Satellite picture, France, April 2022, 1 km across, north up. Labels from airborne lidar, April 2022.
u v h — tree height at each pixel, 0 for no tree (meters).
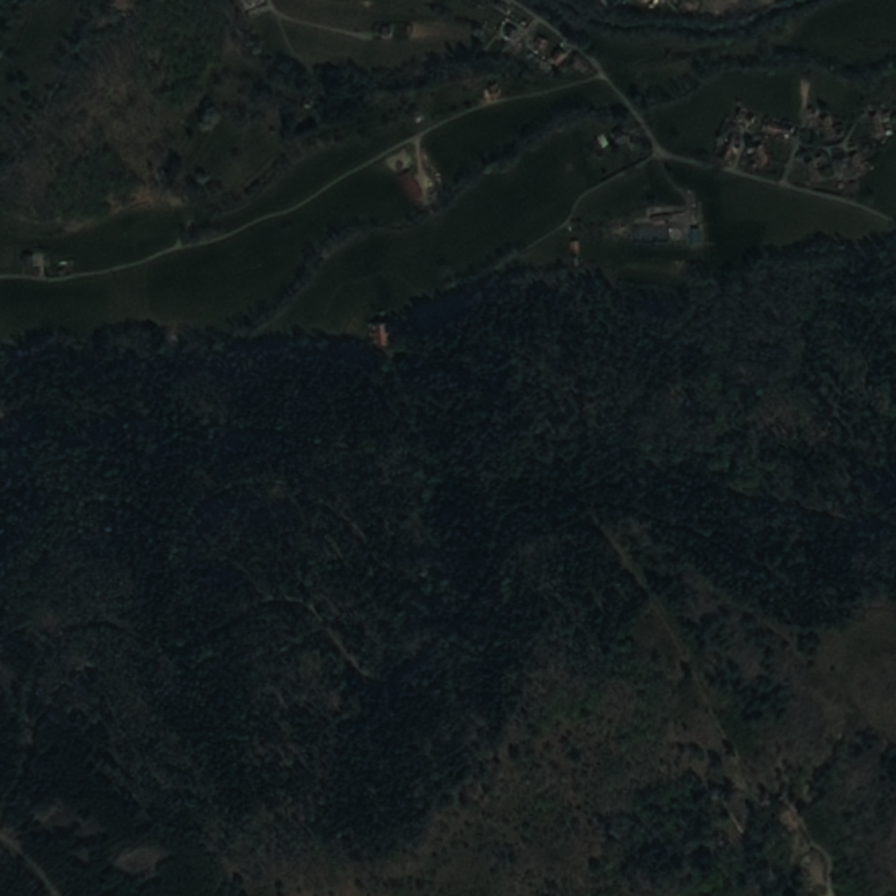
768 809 18
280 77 18
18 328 0
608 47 0
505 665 20
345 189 0
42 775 15
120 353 27
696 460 24
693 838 21
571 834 8
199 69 19
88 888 16
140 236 0
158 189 19
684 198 0
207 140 0
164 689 26
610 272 0
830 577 12
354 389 31
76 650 15
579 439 28
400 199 0
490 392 18
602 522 16
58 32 0
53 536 25
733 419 24
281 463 28
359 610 34
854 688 0
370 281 0
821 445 8
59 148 10
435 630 25
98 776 19
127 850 0
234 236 0
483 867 0
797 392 30
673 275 0
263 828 23
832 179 0
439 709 25
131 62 13
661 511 15
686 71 0
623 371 17
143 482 26
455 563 18
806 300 31
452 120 0
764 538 16
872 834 13
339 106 30
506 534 14
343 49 0
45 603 19
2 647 16
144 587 27
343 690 26
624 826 20
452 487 17
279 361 28
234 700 24
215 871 17
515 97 0
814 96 0
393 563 25
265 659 24
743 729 6
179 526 25
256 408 22
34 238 0
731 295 34
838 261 31
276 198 0
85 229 0
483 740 16
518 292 22
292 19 0
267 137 0
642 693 15
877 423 34
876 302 18
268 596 20
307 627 25
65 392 6
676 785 23
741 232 0
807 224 0
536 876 8
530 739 20
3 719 19
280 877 9
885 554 25
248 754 28
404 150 0
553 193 0
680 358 11
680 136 13
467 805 19
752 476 22
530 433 22
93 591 17
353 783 31
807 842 6
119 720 17
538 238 0
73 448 25
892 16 0
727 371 27
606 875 9
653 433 27
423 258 0
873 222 0
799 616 12
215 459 20
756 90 0
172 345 28
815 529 7
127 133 0
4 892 20
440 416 23
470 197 0
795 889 6
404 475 23
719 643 23
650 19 17
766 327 35
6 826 15
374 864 15
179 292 0
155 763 20
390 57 0
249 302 0
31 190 21
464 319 29
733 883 16
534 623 8
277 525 26
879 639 0
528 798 9
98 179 18
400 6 0
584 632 19
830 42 0
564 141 0
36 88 0
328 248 19
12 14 12
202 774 16
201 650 29
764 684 19
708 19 14
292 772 26
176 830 14
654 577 16
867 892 16
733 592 21
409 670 23
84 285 0
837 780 12
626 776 19
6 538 15
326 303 0
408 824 23
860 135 0
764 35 11
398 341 31
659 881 12
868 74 22
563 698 18
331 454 23
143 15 18
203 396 21
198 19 22
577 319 23
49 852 19
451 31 0
